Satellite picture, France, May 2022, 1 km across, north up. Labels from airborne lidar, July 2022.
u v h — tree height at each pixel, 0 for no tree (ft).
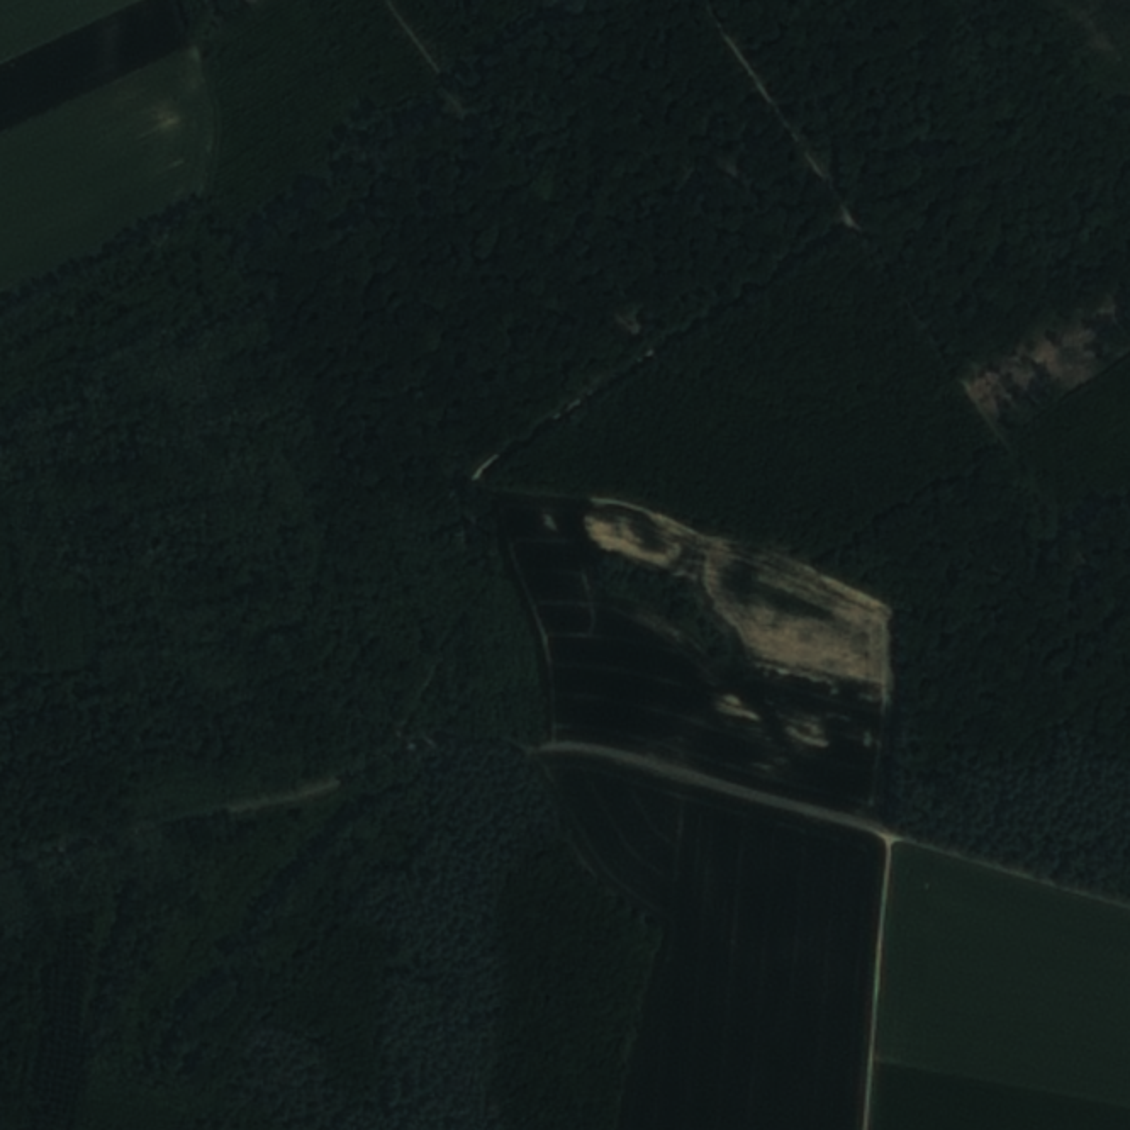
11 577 38
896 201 98
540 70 98
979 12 43
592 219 95
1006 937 0
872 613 0
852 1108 0
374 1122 103
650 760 0
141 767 80
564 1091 71
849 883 0
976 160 59
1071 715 82
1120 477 18
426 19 24
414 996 94
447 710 87
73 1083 77
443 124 99
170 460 76
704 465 52
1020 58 86
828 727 0
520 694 78
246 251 107
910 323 66
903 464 51
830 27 103
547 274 89
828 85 99
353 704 92
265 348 27
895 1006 0
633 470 56
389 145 101
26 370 23
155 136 0
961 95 71
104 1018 85
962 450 49
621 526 0
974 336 103
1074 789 122
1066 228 73
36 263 0
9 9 0
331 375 63
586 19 95
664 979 0
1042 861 106
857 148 91
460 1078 97
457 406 90
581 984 70
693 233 94
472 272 94
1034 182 85
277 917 92
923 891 0
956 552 97
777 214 94
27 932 92
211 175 0
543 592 0
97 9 0
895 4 102
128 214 0
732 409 57
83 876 80
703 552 0
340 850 90
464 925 103
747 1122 0
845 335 73
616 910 66
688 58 84
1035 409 81
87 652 34
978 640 80
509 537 0
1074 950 0
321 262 107
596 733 0
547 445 51
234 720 92
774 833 0
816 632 0
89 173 0
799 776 0
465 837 94
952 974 0
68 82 0
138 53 0
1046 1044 0
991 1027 0
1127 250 95
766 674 0
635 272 96
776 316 72
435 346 87
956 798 103
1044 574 110
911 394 69
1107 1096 0
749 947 0
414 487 90
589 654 0
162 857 84
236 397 93
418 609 61
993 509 107
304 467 79
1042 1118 0
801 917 0
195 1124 31
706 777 0
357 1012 65
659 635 0
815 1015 0
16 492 89
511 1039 64
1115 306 0
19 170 0
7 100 0
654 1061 0
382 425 101
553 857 84
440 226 111
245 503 94
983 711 89
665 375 49
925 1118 0
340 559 89
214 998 85
